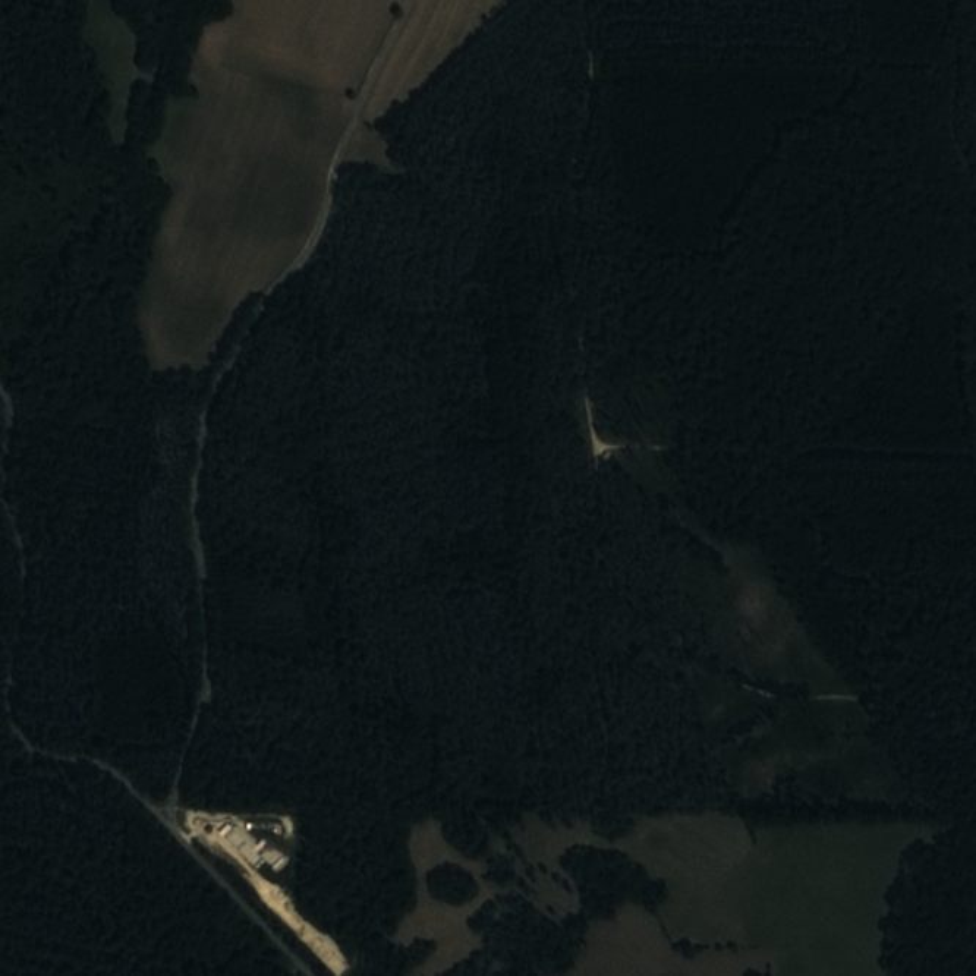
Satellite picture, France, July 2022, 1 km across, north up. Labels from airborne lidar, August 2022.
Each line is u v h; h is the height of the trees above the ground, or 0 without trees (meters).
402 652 20
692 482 22
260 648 23
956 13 18
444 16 0
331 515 21
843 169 18
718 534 25
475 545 19
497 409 21
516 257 22
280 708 15
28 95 18
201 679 20
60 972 22
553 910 12
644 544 19
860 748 0
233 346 15
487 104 17
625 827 16
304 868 15
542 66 17
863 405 6
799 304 21
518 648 22
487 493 25
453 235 14
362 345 18
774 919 0
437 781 22
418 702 19
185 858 10
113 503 17
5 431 19
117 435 21
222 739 19
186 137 0
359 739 16
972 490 12
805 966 0
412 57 0
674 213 9
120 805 21
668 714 16
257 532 22
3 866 29
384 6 0
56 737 24
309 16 0
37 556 18
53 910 18
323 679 21
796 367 22
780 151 19
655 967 0
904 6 13
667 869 0
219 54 0
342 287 16
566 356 16
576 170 16
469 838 23
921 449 6
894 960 19
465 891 12
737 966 0
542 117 16
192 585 17
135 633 6
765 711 0
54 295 7
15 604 24
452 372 20
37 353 17
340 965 0
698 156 8
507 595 16
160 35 11
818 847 0
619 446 0
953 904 20
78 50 23
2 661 30
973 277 20
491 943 14
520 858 14
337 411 19
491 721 16
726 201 7
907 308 6
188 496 17
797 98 8
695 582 0
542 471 17
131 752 20
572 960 18
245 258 0
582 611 23
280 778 19
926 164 19
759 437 23
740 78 9
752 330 22
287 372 20
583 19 18
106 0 0
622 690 23
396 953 21
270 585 8
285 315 19
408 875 17
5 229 0
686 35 19
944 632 17
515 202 16
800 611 7
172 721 6
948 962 15
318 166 0
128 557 21
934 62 11
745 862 0
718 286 22
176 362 0
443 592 17
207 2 9
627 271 20
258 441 15
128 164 15
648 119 7
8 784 31
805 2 16
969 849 20
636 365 7
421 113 19
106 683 7
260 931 9
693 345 20
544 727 21
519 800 8
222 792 21
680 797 20
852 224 22
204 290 0
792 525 20
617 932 0
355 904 9
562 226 24
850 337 23
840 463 20
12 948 17
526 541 19
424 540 17
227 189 0
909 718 20
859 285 20
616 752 9
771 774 0
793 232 21
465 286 14
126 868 19
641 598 21
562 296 11
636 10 23
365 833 9
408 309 10
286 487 11
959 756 23
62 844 20
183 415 20
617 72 7
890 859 0
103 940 16
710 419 22
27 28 19
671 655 10
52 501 22
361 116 0
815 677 0
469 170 16
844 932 0
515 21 17
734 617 0
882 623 14
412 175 15
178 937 15
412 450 21
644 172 9
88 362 19
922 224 21
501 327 20
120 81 0
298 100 0
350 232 17
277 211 0
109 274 8
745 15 20
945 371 8
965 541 17
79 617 33
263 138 0
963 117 14
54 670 35
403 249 17
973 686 21
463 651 11
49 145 20
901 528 10
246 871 0
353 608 18
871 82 21
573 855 16
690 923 0
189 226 0
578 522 9
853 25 18
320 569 17
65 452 21
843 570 13
